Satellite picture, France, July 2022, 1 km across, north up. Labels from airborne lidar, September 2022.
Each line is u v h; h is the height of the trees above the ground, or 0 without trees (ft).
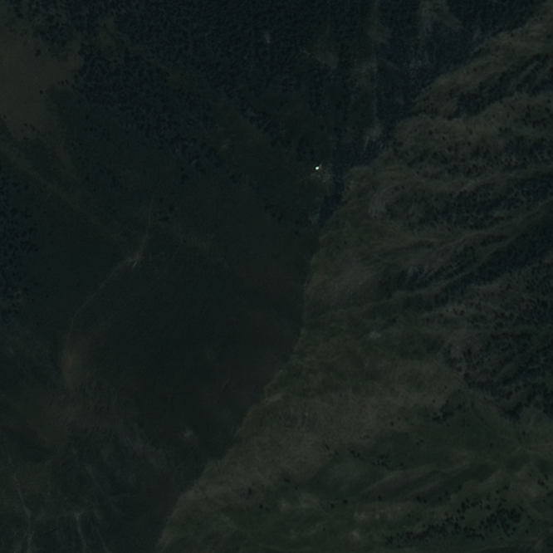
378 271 0
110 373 0
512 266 26
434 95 0
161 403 0
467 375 38
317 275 0
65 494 0
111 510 0
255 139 0
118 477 0
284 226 0
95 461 0
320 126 0
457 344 0
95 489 0
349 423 0
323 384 0
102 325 0
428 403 0
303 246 0
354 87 40
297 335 0
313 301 0
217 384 0
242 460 0
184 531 0
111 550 0
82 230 0
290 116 0
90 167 0
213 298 0
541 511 0
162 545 0
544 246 20
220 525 0
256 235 0
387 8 24
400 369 0
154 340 0
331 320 0
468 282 21
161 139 35
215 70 37
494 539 0
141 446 0
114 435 0
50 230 0
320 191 0
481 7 26
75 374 0
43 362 0
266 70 42
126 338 0
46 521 0
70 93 0
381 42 0
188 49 42
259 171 0
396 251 0
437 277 20
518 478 0
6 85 0
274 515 0
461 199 36
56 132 0
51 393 0
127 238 0
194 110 35
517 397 0
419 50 34
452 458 0
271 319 0
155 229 0
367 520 0
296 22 35
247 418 0
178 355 0
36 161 0
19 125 0
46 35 27
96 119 0
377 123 0
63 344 0
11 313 22
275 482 0
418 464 0
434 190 0
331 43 0
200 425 0
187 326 0
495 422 0
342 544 0
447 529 21
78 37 0
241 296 0
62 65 0
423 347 0
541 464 0
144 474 0
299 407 0
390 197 0
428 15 0
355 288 0
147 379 0
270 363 0
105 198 0
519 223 0
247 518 0
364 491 0
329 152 0
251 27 39
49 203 0
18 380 0
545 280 45
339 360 0
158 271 0
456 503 0
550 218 0
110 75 28
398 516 0
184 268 0
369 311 0
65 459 0
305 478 0
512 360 32
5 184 23
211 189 0
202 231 0
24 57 0
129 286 0
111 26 0
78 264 0
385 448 0
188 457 0
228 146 0
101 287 0
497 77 0
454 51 32
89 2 32
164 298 0
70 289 0
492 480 0
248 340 0
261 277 0
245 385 0
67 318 0
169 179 0
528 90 20
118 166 0
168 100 32
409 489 0
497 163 33
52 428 0
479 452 0
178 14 28
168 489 0
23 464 0
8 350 0
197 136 0
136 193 0
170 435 0
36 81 0
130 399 0
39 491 0
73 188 0
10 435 0
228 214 0
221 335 0
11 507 0
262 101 0
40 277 0
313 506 0
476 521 0
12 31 0
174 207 22
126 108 44
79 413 0
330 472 0
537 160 56
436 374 0
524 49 0
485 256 0
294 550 0
